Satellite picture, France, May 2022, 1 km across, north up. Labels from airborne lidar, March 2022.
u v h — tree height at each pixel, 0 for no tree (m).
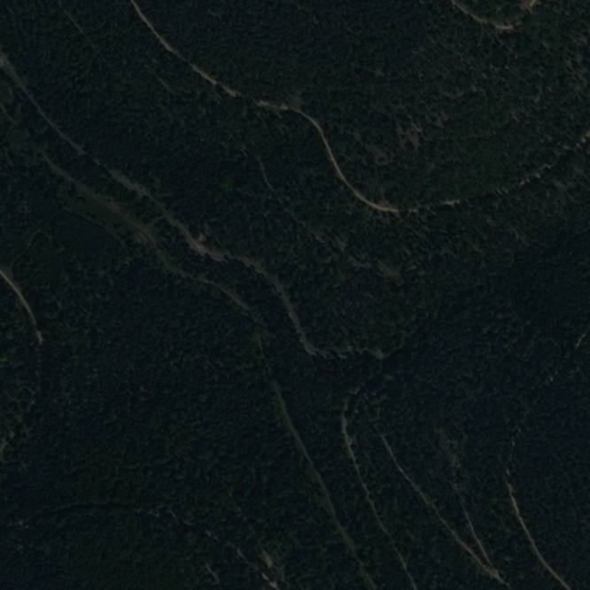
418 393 31
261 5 18
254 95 13
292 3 25
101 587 25
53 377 34
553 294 13
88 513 18
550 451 32
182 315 35
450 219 25
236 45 28
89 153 30
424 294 32
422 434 34
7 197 34
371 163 20
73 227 10
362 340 32
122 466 22
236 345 33
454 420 36
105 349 25
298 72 26
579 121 38
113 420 28
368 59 25
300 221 9
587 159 32
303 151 7
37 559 19
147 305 25
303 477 35
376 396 34
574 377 16
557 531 29
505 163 15
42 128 22
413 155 22
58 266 6
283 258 38
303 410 20
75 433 23
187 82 28
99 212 0
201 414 28
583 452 33
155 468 18
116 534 25
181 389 27
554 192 32
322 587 33
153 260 28
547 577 11
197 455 29
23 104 6
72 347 24
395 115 8
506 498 29
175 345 29
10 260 12
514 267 14
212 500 26
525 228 30
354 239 31
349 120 26
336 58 27
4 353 36
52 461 25
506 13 23
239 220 33
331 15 27
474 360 31
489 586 10
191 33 17
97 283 16
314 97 22
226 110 25
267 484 35
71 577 22
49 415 35
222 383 34
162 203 12
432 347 34
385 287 32
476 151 22
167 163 25
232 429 31
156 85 28
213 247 33
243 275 40
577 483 30
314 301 35
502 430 34
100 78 17
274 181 11
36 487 21
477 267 33
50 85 31
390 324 37
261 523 33
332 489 32
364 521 17
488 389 8
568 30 29
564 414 31
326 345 28
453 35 22
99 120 26
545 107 35
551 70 24
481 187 18
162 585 26
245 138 29
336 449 34
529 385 32
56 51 21
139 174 26
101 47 21
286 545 31
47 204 14
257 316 24
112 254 18
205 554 33
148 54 25
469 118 18
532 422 8
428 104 25
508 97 29
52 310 29
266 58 24
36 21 24
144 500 27
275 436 34
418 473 30
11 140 21
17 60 12
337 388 34
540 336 9
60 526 17
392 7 26
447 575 14
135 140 19
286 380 35
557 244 12
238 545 33
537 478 33
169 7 30
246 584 32
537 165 30
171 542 29
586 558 24
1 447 0
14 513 28
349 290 29
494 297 24
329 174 10
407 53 25
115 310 32
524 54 24
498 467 24
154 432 30
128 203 20
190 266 24
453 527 12
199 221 36
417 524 11
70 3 25
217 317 30
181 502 31
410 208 11
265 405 34
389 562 16
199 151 29
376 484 20
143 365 29
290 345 32
